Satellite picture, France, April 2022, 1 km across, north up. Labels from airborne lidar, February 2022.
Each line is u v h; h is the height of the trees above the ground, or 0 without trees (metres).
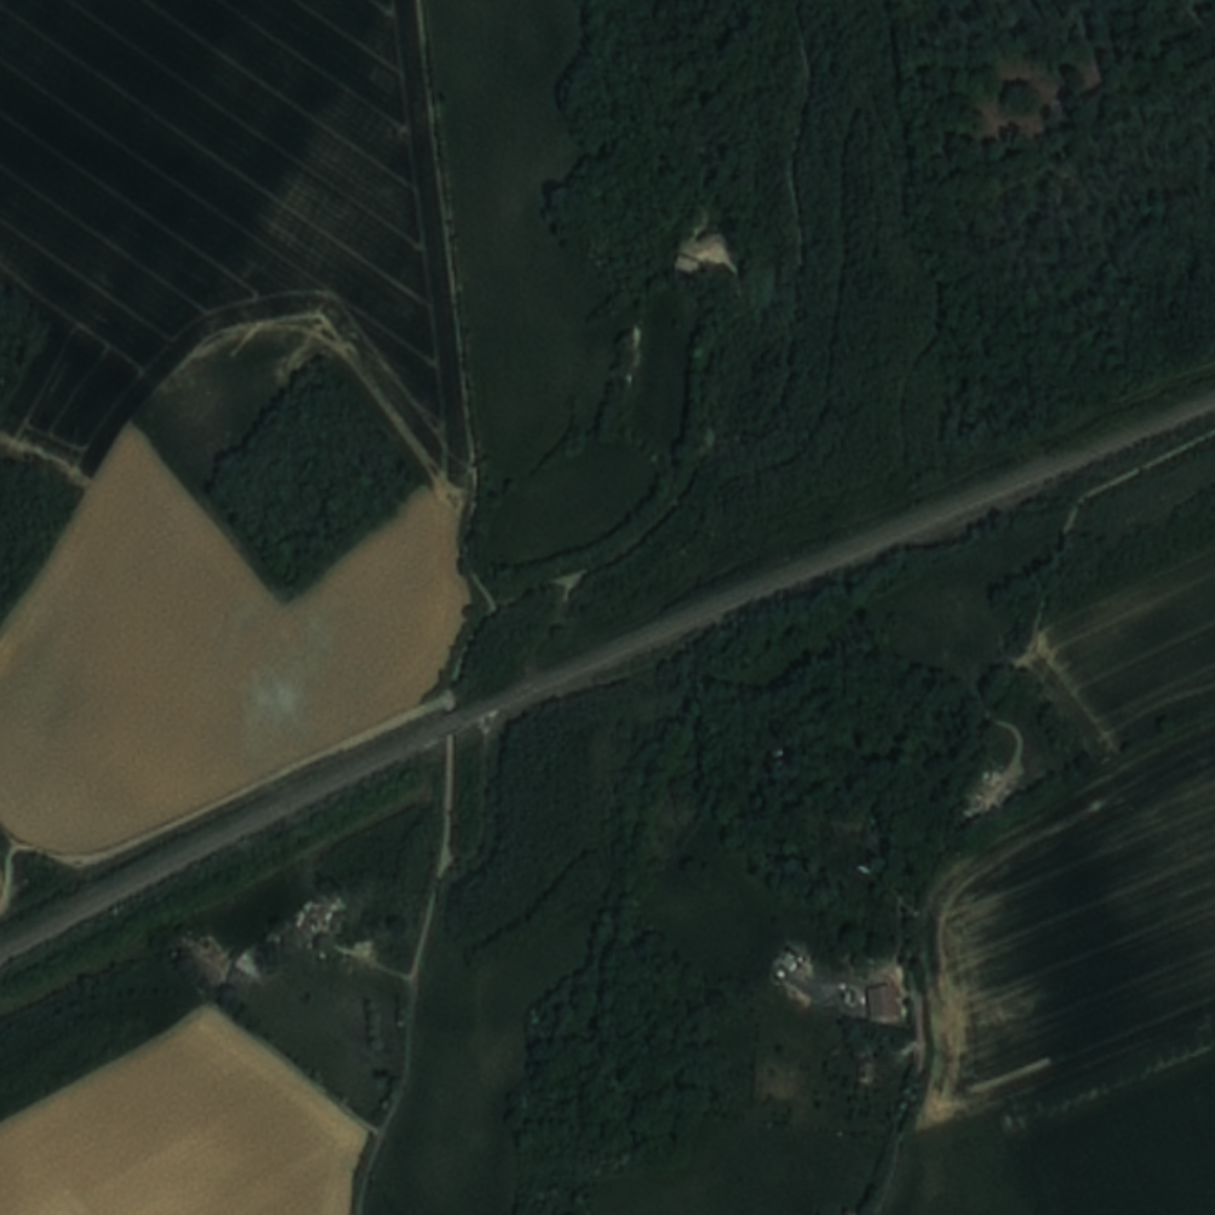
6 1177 0
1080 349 23
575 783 11
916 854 23
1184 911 0
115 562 0
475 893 7
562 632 9
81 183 0
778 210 14
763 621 22
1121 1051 0
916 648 0
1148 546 8
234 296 0
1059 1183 0
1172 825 0
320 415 20
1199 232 21
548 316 0
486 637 9
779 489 10
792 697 19
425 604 0
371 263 0
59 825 0
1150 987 0
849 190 8
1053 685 0
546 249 0
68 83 0
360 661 0
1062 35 17
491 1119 0
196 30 0
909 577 8
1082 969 0
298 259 0
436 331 0
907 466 10
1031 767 0
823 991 0
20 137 0
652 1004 23
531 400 0
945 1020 0
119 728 0
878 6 15
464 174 0
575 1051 21
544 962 0
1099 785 0
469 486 0
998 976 0
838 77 11
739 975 0
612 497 0
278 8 0
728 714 23
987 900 0
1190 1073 0
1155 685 0
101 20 0
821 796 18
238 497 18
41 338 19
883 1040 11
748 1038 0
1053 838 0
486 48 0
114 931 9
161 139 0
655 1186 0
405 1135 0
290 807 0
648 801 20
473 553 12
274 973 26
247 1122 0
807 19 14
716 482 9
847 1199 0
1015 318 26
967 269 22
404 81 0
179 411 0
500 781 14
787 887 21
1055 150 20
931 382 16
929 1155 0
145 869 0
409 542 0
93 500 0
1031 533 0
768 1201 0
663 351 0
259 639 0
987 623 0
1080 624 0
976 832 19
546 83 0
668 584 6
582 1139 11
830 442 11
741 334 14
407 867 10
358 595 0
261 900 0
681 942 0
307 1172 0
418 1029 0
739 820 15
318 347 0
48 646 0
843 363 10
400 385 0
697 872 8
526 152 0
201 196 0
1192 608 0
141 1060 0
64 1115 0
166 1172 0
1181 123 18
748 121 24
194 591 0
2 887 0
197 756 0
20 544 24
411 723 0
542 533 0
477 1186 0
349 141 0
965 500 0
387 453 19
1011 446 8
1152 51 23
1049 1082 0
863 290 5
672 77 14
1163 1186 0
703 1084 28
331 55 0
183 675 0
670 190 27
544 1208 10
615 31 23
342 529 23
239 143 0
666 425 0
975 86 21
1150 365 19
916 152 19
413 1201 0
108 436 0
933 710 24
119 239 0
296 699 0
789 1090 0
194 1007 0
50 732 0
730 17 16
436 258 0
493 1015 0
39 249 0
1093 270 22
